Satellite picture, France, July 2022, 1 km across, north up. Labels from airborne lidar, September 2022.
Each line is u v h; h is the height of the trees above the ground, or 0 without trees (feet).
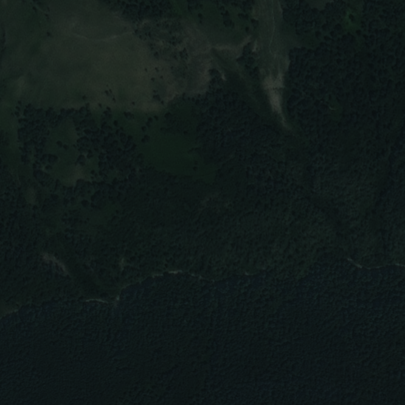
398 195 65
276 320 43
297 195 71
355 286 89
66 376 45
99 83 0
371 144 60
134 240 20
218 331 52
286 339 68
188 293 34
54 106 0
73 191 64
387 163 27
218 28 0
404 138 65
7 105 0
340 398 51
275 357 84
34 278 66
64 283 67
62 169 0
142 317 47
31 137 76
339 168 19
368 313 90
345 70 28
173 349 60
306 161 22
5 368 52
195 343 65
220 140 54
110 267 19
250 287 66
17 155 0
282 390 57
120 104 0
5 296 77
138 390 39
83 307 64
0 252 66
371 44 89
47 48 0
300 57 70
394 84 71
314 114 96
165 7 76
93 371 54
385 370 55
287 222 55
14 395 55
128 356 57
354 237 61
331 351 88
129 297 38
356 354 88
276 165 66
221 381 58
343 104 78
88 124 89
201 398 42
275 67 0
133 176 70
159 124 0
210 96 68
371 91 20
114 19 0
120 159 86
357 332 78
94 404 68
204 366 47
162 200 23
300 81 87
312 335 56
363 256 66
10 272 85
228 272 25
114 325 52
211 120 71
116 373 54
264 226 52
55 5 0
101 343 31
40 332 42
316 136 71
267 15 0
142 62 0
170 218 27
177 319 52
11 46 0
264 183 70
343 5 77
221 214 19
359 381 61
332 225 56
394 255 54
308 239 47
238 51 0
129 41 0
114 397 51
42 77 0
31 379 57
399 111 24
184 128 20
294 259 47
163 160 0
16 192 77
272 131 83
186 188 31
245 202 24
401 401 55
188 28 0
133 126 0
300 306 59
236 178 25
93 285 23
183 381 63
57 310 70
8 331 45
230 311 31
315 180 65
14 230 86
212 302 53
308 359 72
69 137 0
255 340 72
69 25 0
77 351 60
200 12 0
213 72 63
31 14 0
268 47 0
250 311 55
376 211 25
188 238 38
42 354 60
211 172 0
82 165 58
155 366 59
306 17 88
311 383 59
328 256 74
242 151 78
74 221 45
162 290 33
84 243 66
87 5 0
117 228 20
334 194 50
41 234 70
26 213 75
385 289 56
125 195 21
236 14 0
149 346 63
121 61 0
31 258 97
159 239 37
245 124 63
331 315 62
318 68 65
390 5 76
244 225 47
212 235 28
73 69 0
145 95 0
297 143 30
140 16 46
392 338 82
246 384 52
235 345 73
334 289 69
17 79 0
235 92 21
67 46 0
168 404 64
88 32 0
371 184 53
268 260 76
